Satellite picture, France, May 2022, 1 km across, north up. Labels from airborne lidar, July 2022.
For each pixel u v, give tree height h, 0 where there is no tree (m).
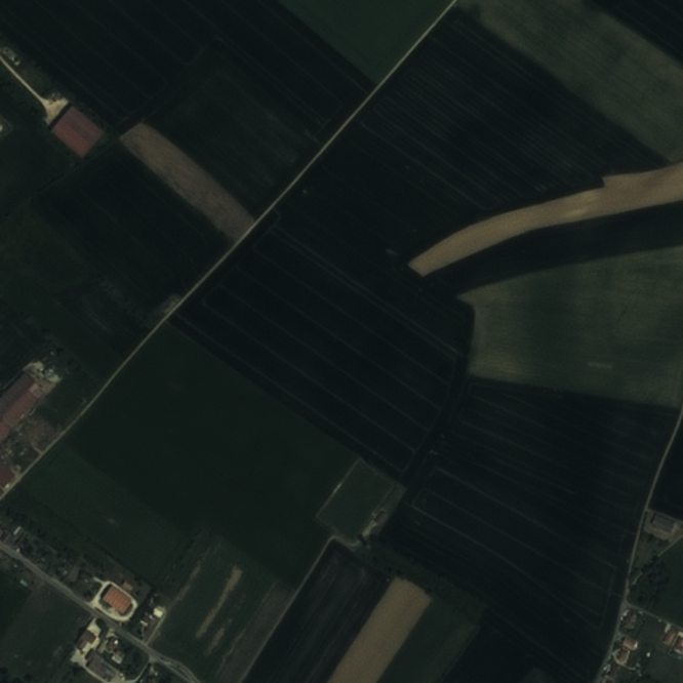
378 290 0
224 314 0
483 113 0
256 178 0
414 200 0
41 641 0
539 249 0
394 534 0
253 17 0
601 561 0
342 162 0
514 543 0
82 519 0
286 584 0
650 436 0
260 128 0
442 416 0
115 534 0
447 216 0
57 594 0
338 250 0
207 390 0
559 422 0
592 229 0
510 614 0
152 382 0
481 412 0
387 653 0
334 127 0
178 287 0
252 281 0
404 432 0
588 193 0
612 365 0
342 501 0
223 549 0
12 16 0
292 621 0
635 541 0
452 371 0
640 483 0
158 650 0
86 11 0
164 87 0
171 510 0
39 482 0
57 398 0
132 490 0
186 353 0
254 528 0
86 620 0
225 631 0
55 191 0
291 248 0
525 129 0
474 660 0
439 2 0
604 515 0
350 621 0
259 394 0
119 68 0
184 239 0
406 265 0
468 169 0
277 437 0
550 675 0
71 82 0
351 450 0
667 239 0
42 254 0
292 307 0
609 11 0
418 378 0
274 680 0
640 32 0
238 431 0
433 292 0
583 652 0
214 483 0
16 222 0
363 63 0
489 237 0
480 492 0
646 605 11
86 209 0
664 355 0
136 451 0
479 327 0
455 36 0
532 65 0
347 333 0
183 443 0
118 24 0
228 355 0
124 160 0
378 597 0
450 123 0
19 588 0
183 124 0
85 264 0
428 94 0
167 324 0
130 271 0
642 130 0
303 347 0
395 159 0
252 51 0
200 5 0
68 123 0
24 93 0
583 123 0
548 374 0
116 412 0
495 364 0
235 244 0
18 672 0
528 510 0
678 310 0
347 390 0
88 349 0
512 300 0
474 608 0
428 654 0
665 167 0
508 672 0
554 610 0
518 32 0
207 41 0
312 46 0
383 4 0
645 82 0
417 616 0
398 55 0
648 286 0
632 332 0
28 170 0
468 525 0
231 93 0
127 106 0
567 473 0
